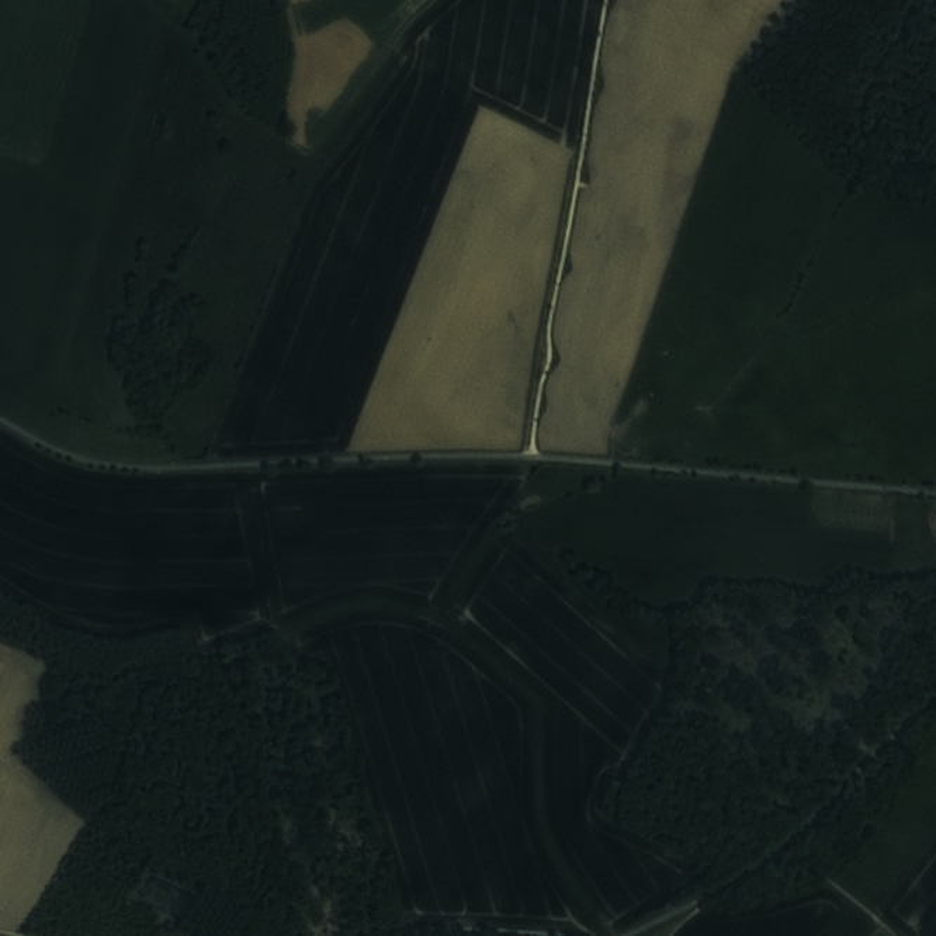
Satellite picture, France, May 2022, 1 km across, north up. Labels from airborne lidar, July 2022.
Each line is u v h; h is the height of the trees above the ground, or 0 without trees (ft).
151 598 0
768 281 0
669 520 0
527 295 0
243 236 0
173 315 86
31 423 0
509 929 0
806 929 0
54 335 0
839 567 0
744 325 0
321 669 65
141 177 0
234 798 80
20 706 0
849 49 62
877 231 0
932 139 76
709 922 0
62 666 66
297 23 0
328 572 0
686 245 0
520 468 0
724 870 72
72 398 0
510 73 0
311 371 0
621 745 0
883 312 0
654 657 0
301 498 0
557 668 0
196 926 81
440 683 0
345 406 0
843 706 84
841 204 31
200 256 0
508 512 45
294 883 87
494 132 0
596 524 0
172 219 0
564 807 0
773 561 0
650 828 63
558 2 0
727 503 0
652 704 0
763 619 66
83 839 39
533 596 0
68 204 0
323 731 82
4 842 0
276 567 0
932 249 0
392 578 0
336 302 0
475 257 0
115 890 28
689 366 0
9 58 0
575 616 0
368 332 0
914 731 66
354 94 0
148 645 59
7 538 0
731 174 0
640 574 0
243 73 22
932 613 74
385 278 0
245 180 0
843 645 0
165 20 0
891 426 0
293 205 0
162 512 0
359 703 0
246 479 0
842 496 0
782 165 0
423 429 0
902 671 76
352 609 0
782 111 62
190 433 0
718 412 0
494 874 0
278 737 70
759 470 46
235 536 0
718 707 79
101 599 0
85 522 0
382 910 81
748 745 68
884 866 0
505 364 0
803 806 73
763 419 0
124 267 0
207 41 47
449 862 0
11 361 0
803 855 71
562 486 0
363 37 0
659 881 0
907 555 0
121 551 0
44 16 0
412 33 0
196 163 0
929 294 0
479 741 0
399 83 0
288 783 80
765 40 55
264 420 0
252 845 60
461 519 0
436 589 0
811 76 85
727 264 0
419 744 0
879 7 82
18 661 0
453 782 0
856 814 74
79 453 0
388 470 0
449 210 0
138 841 61
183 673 59
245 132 0
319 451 0
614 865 0
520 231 0
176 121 0
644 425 0
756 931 0
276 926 67
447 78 0
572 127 0
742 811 78
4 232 0
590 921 0
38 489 0
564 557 50
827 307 0
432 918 0
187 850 52
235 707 41
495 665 0
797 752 74
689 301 0
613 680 0
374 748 0
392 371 0
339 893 61
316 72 0
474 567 0
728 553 0
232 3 50
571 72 0
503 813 0
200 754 77
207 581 0
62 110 0
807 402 0
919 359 0
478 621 0
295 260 0
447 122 0
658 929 0
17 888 0
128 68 0
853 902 0
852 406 0
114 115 0
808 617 79
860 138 72
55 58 0
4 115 0
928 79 93
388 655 0
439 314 0
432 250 0
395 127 0
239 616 0
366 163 0
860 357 0
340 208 0
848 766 73
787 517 0
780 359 0
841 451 0
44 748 76
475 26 0
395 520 0
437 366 0
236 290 0
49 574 0
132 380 67
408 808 0
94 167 0
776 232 0
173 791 68
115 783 58
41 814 0
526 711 0
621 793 73
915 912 0
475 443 0
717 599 59
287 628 0
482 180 0
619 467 36
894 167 66
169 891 0
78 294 0
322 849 62
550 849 0
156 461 0
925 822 0
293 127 54
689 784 87
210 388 0
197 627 0
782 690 81
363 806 55
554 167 0
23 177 0
